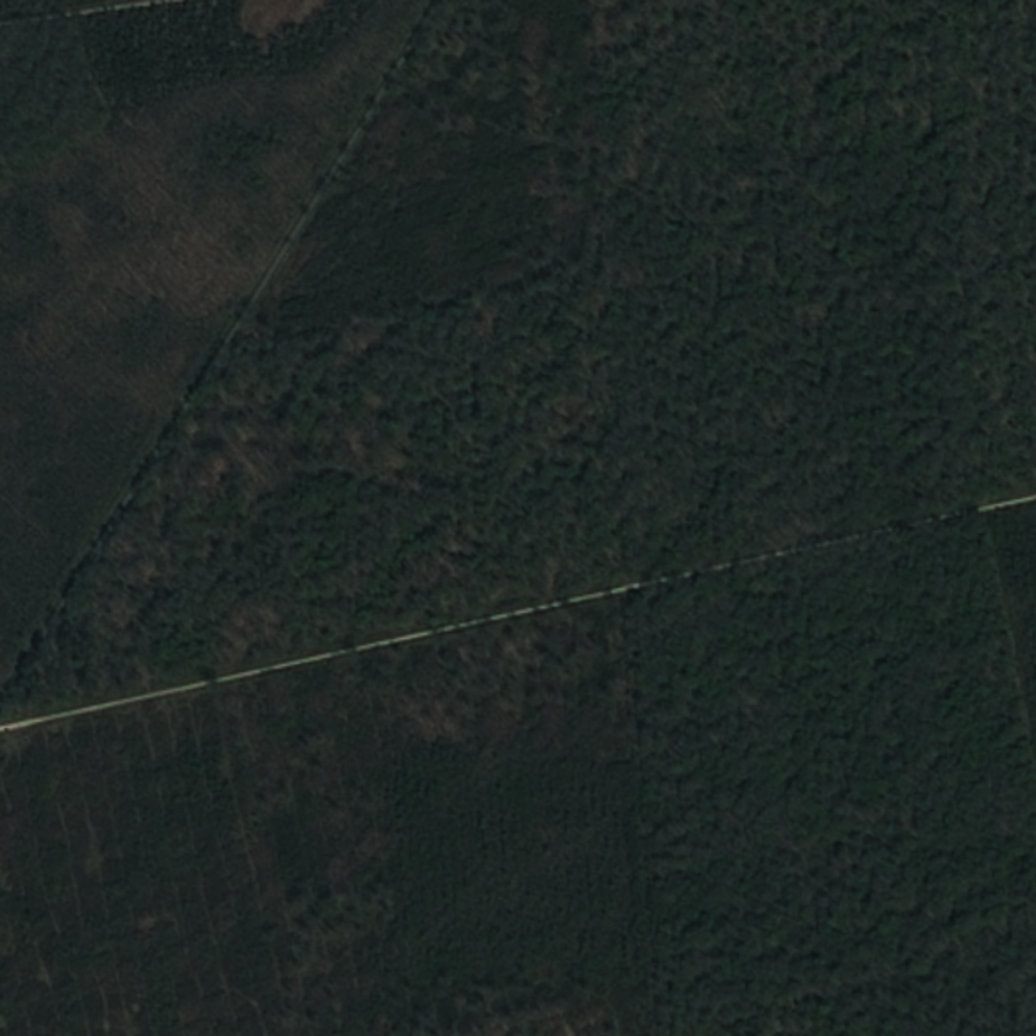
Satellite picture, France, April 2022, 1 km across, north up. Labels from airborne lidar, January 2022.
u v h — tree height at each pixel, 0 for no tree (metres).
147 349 18
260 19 0
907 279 26
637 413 26
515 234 7
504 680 22
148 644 28
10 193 21
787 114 23
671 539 19
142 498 19
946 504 22
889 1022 25
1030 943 23
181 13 9
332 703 10
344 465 25
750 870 14
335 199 23
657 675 24
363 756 8
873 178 24
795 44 20
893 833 22
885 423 23
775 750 24
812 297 19
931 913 20
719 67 24
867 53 25
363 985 7
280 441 27
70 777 7
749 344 23
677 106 26
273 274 0
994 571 23
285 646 22
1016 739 26
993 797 23
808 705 23
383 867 9
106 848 6
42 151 23
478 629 18
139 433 19
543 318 25
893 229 21
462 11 23
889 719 23
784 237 22
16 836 7
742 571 18
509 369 24
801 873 25
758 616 24
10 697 15
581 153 26
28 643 14
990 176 25
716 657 18
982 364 25
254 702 10
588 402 27
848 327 26
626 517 24
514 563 24
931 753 23
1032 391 24
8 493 16
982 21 21
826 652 24
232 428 28
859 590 24
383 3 17
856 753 22
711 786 13
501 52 25
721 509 25
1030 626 10
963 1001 18
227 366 25
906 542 21
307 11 0
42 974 0
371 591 25
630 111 25
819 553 23
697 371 26
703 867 22
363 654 22
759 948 19
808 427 22
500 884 11
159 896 6
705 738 22
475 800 11
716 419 23
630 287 26
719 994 24
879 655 20
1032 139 25
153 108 13
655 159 21
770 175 24
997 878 23
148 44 11
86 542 16
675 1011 20
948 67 23
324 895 11
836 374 24
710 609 24
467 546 23
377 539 26
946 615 21
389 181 8
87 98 21
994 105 22
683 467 24
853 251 28
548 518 23
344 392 22
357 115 16
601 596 0
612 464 25
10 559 17
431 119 26
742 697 27
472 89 24
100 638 29
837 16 25
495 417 24
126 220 15
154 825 8
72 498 17
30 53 23
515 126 23
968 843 23
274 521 23
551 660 22
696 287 20
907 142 24
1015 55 26
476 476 25
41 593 18
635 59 22
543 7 8
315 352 23
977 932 28
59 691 26
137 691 26
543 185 16
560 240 25
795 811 27
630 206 25
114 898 6
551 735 10
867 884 21
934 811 25
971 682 25
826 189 19
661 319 23
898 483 29
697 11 27
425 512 24
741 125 23
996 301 26
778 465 22
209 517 22
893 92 24
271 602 23
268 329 20
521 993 24
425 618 24
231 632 26
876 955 24
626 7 0
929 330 24
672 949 24
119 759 9
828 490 25
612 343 23
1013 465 24
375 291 8
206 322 17
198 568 24
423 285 7
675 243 19
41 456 17
